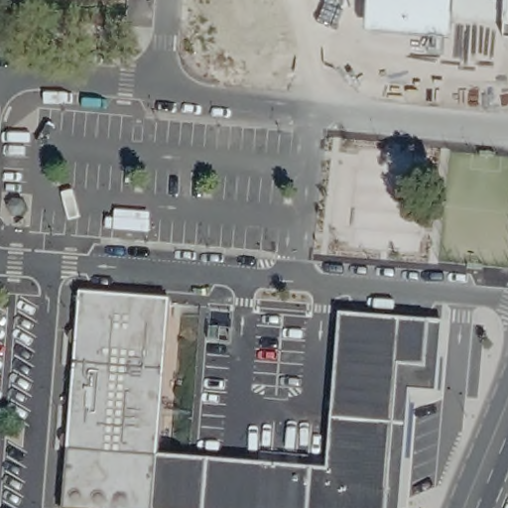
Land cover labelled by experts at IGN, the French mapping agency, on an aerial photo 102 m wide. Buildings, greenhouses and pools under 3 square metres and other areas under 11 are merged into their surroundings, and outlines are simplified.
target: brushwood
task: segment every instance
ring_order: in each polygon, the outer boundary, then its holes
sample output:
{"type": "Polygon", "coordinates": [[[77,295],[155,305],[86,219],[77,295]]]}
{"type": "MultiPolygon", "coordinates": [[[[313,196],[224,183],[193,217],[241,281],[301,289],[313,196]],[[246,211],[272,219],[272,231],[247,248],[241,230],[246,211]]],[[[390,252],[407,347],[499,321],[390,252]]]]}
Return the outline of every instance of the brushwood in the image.
{"type": "Polygon", "coordinates": [[[192,405],[196,381],[196,333],[200,331],[200,327],[194,325],[192,312],[183,312],[177,337],[179,367],[175,371],[173,385],[175,401],[171,439],[189,443],[192,437],[192,405]]]}

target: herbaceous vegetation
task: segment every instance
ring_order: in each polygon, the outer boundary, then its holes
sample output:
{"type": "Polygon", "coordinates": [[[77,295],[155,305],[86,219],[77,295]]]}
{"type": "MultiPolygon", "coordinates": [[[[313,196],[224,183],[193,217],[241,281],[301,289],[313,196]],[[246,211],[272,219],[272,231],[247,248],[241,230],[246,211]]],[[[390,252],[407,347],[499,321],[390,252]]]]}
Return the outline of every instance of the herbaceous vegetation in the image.
{"type": "Polygon", "coordinates": [[[351,248],[341,240],[331,240],[329,252],[325,256],[371,258],[367,248],[351,248]]]}
{"type": "Polygon", "coordinates": [[[323,222],[327,198],[325,189],[321,194],[317,194],[317,204],[321,210],[312,216],[314,226],[323,222]]]}
{"type": "Polygon", "coordinates": [[[319,161],[317,161],[317,179],[321,181],[321,183],[323,183],[323,185],[325,185],[325,187],[327,187],[327,181],[329,181],[329,161],[325,161],[323,157],[321,157],[319,161]]]}
{"type": "Polygon", "coordinates": [[[111,62],[91,56],[91,63],[97,67],[117,67],[119,71],[133,71],[137,60],[141,60],[145,54],[139,48],[133,56],[119,56],[111,62]]]}
{"type": "Polygon", "coordinates": [[[341,139],[343,153],[371,149],[375,145],[367,141],[341,139]]]}
{"type": "Polygon", "coordinates": [[[389,256],[385,260],[429,264],[431,240],[423,240],[417,252],[399,252],[391,242],[389,256]]]}

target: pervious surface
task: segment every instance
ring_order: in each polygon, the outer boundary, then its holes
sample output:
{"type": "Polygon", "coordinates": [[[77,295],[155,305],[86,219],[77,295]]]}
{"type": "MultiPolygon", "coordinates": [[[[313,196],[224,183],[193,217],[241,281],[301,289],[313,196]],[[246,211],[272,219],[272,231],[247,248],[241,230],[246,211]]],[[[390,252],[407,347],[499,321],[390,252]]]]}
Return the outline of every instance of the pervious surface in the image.
{"type": "Polygon", "coordinates": [[[179,71],[194,85],[306,99],[333,105],[367,105],[429,115],[508,119],[508,24],[502,22],[502,10],[496,10],[496,18],[486,28],[460,24],[456,26],[456,30],[450,28],[444,34],[367,28],[365,0],[181,0],[181,28],[173,38],[173,52],[177,56],[179,71]]]}

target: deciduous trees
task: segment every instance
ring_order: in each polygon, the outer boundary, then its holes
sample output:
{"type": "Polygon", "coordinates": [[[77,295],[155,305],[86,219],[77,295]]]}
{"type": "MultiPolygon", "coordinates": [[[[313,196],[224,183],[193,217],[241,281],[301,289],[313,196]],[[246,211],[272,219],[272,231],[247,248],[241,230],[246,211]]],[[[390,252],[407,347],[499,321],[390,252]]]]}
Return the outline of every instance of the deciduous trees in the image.
{"type": "Polygon", "coordinates": [[[270,196],[284,200],[288,196],[296,200],[298,187],[288,183],[284,187],[274,187],[270,190],[270,196]]]}
{"type": "Polygon", "coordinates": [[[95,73],[97,67],[91,63],[91,56],[111,62],[119,56],[133,56],[139,48],[137,36],[133,32],[133,20],[127,14],[119,18],[111,16],[113,4],[119,0],[0,0],[0,58],[12,65],[10,71],[14,75],[36,75],[46,77],[48,81],[67,81],[69,85],[79,87],[87,85],[89,75],[95,73]]]}
{"type": "Polygon", "coordinates": [[[220,189],[220,179],[216,175],[208,175],[198,181],[198,192],[204,192],[206,198],[212,198],[220,189]]]}
{"type": "Polygon", "coordinates": [[[433,220],[443,216],[446,189],[439,169],[435,167],[413,169],[409,177],[399,179],[403,204],[399,206],[399,212],[405,220],[413,220],[421,226],[431,226],[433,220]]]}
{"type": "Polygon", "coordinates": [[[131,175],[125,177],[125,181],[135,192],[143,192],[149,185],[151,175],[145,169],[135,169],[131,175]]]}
{"type": "Polygon", "coordinates": [[[56,163],[46,169],[46,179],[50,185],[58,187],[75,173],[75,169],[71,169],[65,163],[56,163]]]}
{"type": "Polygon", "coordinates": [[[0,409],[0,435],[16,437],[18,433],[26,433],[26,419],[18,415],[16,409],[0,409]]]}

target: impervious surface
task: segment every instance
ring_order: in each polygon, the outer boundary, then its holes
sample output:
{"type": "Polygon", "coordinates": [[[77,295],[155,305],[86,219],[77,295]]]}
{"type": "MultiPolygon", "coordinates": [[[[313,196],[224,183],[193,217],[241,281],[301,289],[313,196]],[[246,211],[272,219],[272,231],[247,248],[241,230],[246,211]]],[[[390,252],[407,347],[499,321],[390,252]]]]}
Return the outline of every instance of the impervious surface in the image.
{"type": "Polygon", "coordinates": [[[137,36],[139,48],[145,54],[141,60],[137,60],[133,71],[119,71],[117,67],[97,67],[95,73],[89,75],[87,85],[79,87],[69,85],[67,81],[48,81],[46,77],[36,75],[14,75],[10,71],[12,65],[0,58],[0,409],[16,409],[18,415],[26,419],[26,433],[18,433],[16,437],[0,435],[0,508],[62,508],[65,429],[77,290],[157,294],[167,296],[173,302],[167,323],[165,365],[161,365],[161,369],[165,369],[165,383],[161,401],[159,450],[200,456],[234,456],[304,464],[323,464],[325,458],[337,312],[351,310],[393,316],[439,317],[444,302],[450,304],[450,310],[456,310],[456,314],[454,321],[450,323],[448,333],[444,399],[417,409],[415,458],[401,460],[397,508],[508,508],[508,119],[429,115],[367,105],[333,105],[306,99],[194,85],[179,71],[177,56],[173,52],[173,38],[181,28],[181,0],[119,0],[113,4],[111,16],[119,18],[127,14],[133,20],[133,32],[137,36]],[[375,145],[371,149],[343,153],[341,139],[367,141],[375,145]],[[327,187],[325,187],[325,185],[323,185],[323,183],[321,183],[321,181],[317,179],[317,161],[319,161],[321,157],[323,157],[325,161],[329,161],[329,181],[327,181],[327,187]],[[46,179],[46,169],[56,163],[65,163],[71,169],[75,169],[75,173],[58,187],[50,185],[46,179]],[[399,212],[399,206],[403,204],[399,179],[409,177],[413,169],[435,167],[439,169],[446,189],[443,216],[433,220],[431,226],[421,226],[413,220],[405,220],[399,212]],[[125,181],[125,177],[131,175],[135,169],[145,169],[151,175],[149,185],[143,192],[135,192],[125,181]],[[198,192],[198,181],[208,175],[216,175],[220,179],[220,189],[212,198],[206,198],[204,192],[198,192]],[[270,190],[274,187],[284,187],[288,183],[298,187],[296,200],[288,196],[284,200],[270,196],[270,190]],[[321,194],[325,189],[327,198],[323,222],[314,226],[312,216],[321,210],[317,204],[317,194],[321,194]],[[329,252],[331,240],[341,240],[351,248],[367,248],[371,258],[325,256],[329,252]],[[429,264],[385,260],[389,256],[391,242],[399,252],[417,252],[423,240],[431,240],[429,264]],[[196,333],[196,381],[192,405],[192,437],[189,443],[171,439],[175,401],[173,385],[175,371],[179,367],[177,337],[183,312],[192,312],[194,325],[200,327],[200,331],[196,333]]]}

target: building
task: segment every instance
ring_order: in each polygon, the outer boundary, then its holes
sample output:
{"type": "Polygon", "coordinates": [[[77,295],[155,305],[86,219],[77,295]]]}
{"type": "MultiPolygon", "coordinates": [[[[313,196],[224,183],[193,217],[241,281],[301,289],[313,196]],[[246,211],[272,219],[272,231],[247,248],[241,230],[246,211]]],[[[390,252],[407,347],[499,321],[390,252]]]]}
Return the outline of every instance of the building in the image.
{"type": "Polygon", "coordinates": [[[167,296],[157,294],[77,290],[65,429],[62,508],[397,508],[401,460],[415,458],[417,409],[444,399],[448,333],[450,323],[454,321],[456,314],[456,310],[450,310],[450,304],[444,302],[439,317],[393,316],[351,310],[337,312],[325,458],[323,464],[304,464],[234,456],[200,456],[159,450],[161,401],[165,383],[165,369],[161,369],[161,365],[165,365],[167,323],[173,302],[167,296]]]}
{"type": "Polygon", "coordinates": [[[456,26],[460,24],[486,28],[496,18],[496,10],[502,10],[502,22],[508,24],[508,0],[365,0],[367,28],[444,34],[450,28],[456,30],[456,26]]]}

